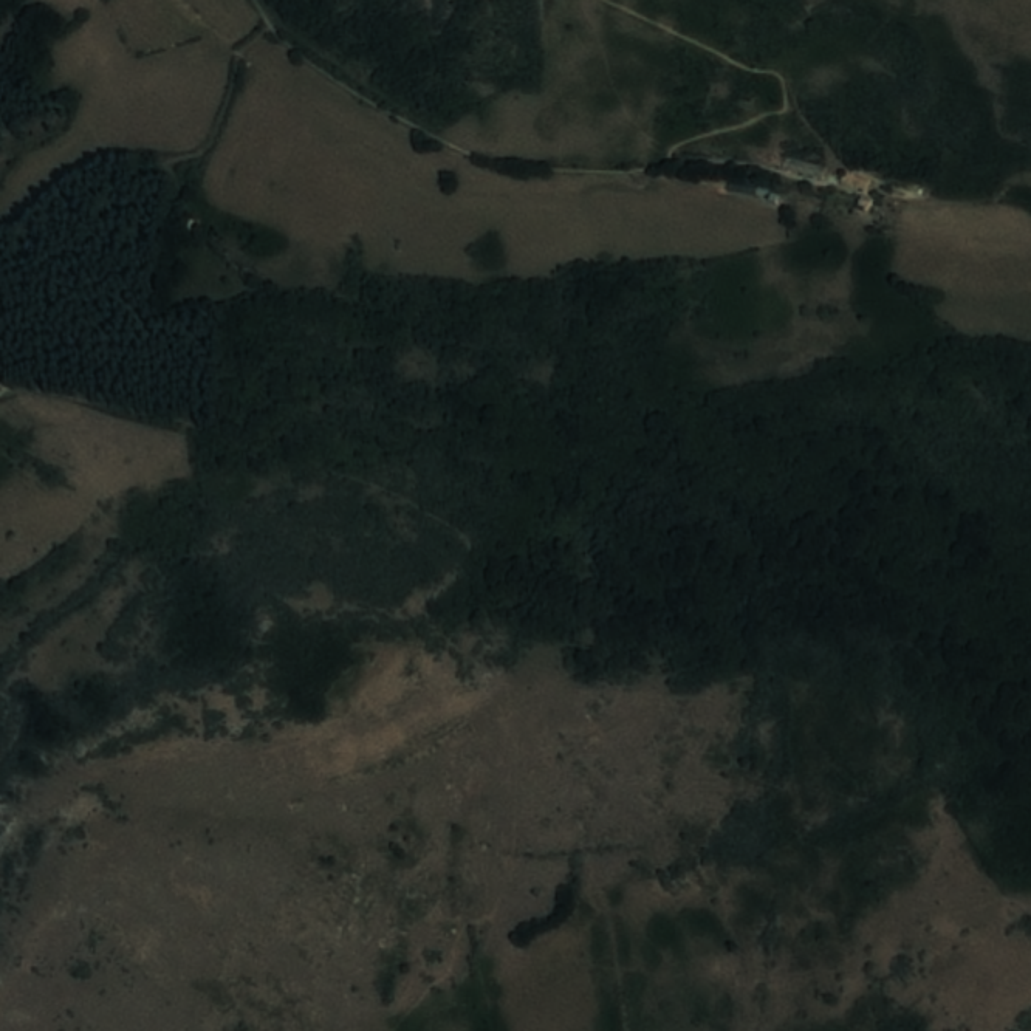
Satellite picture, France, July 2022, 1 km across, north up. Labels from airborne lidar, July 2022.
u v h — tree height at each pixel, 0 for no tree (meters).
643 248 0
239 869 0
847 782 0
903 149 0
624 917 0
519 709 0
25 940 0
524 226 0
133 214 36
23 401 0
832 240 0
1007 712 17
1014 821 9
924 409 6
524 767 0
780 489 6
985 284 0
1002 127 0
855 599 14
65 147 0
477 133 0
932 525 7
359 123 0
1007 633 9
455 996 0
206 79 0
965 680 9
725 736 0
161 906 0
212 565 5
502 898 0
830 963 0
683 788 0
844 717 0
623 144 0
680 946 0
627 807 0
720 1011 0
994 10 0
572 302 9
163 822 0
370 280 11
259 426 8
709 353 0
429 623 5
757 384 6
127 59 0
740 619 12
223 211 0
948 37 0
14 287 28
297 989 0
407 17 8
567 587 13
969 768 6
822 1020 0
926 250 0
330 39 8
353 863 0
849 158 7
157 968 0
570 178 0
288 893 0
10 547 0
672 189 0
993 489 7
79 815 0
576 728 0
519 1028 0
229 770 0
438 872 0
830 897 0
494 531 9
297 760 0
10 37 15
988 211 0
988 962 0
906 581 8
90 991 0
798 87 0
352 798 0
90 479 0
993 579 11
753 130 0
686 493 13
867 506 13
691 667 8
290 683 6
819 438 14
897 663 6
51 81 0
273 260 0
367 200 0
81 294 28
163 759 0
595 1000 0
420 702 0
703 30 0
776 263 0
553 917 14
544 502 13
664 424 23
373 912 0
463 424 8
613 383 7
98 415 0
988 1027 0
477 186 0
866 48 0
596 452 6
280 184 0
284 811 0
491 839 0
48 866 0
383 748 0
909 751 0
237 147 0
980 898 0
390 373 6
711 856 6
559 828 0
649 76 0
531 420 7
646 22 0
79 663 0
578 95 0
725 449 7
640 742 0
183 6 0
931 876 0
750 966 0
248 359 9
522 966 0
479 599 13
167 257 18
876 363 0
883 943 0
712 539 8
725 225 0
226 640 7
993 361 8
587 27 0
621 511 15
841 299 0
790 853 0
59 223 28
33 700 10
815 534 15
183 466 0
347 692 0
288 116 0
